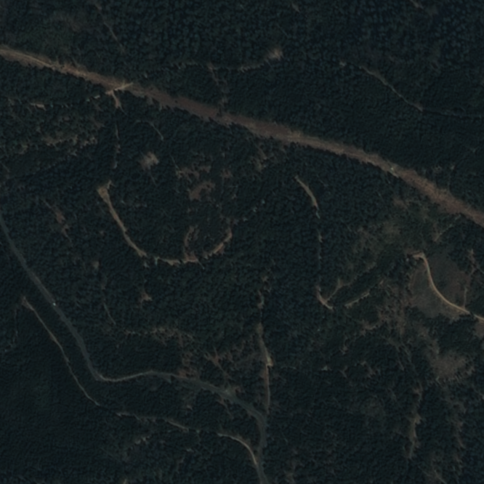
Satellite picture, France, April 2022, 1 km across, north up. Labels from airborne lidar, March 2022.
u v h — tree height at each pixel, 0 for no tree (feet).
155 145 49
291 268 75
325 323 55
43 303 50
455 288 0
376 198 90
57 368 68
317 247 79
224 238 26
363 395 32
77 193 36
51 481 88
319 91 62
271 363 0
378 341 25
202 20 107
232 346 50
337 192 89
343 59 60
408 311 24
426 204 82
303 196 109
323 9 72
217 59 41
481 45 42
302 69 49
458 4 25
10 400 48
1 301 83
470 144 46
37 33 49
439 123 58
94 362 55
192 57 47
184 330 51
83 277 41
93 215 33
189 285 43
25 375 48
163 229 38
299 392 48
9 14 67
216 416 42
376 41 52
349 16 62
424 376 35
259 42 49
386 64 67
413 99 73
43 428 55
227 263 90
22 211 97
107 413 76
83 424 44
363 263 27
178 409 54
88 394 40
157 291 54
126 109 51
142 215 55
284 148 0
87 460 71
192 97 58
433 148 51
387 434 37
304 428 31
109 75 28
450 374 0
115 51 102
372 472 38
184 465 32
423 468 37
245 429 42
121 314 23
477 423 27
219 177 22
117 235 51
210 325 77
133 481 62
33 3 42
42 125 32
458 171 39
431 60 121
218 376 45
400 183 49
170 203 43
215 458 45
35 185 52
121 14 121
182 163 40
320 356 29
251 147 49
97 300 62
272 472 33
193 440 41
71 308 44
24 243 88
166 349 40
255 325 119
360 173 91
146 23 113
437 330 23
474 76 34
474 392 53
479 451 102
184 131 43
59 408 50
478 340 27
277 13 31
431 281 0
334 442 36
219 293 28
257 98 35
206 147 31
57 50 31
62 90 68
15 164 44
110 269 44
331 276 64
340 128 39
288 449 41
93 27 52
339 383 40
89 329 38
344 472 36
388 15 50
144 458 31
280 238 91
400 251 24
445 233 22
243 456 48
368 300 27
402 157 47
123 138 51
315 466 61
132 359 46
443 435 24
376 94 68
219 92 40
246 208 25
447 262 0
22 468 65
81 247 58
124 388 50
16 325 60
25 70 35
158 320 29
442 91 41
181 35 120
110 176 57
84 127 29
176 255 45
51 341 55
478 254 30
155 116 31
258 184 49
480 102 42
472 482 110
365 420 34
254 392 48
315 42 47
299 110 81
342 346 25
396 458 93
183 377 0
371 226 95
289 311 98
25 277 80
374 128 61
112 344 31
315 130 77
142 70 95
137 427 47
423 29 70
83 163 48
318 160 33
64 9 38
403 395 77
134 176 36
